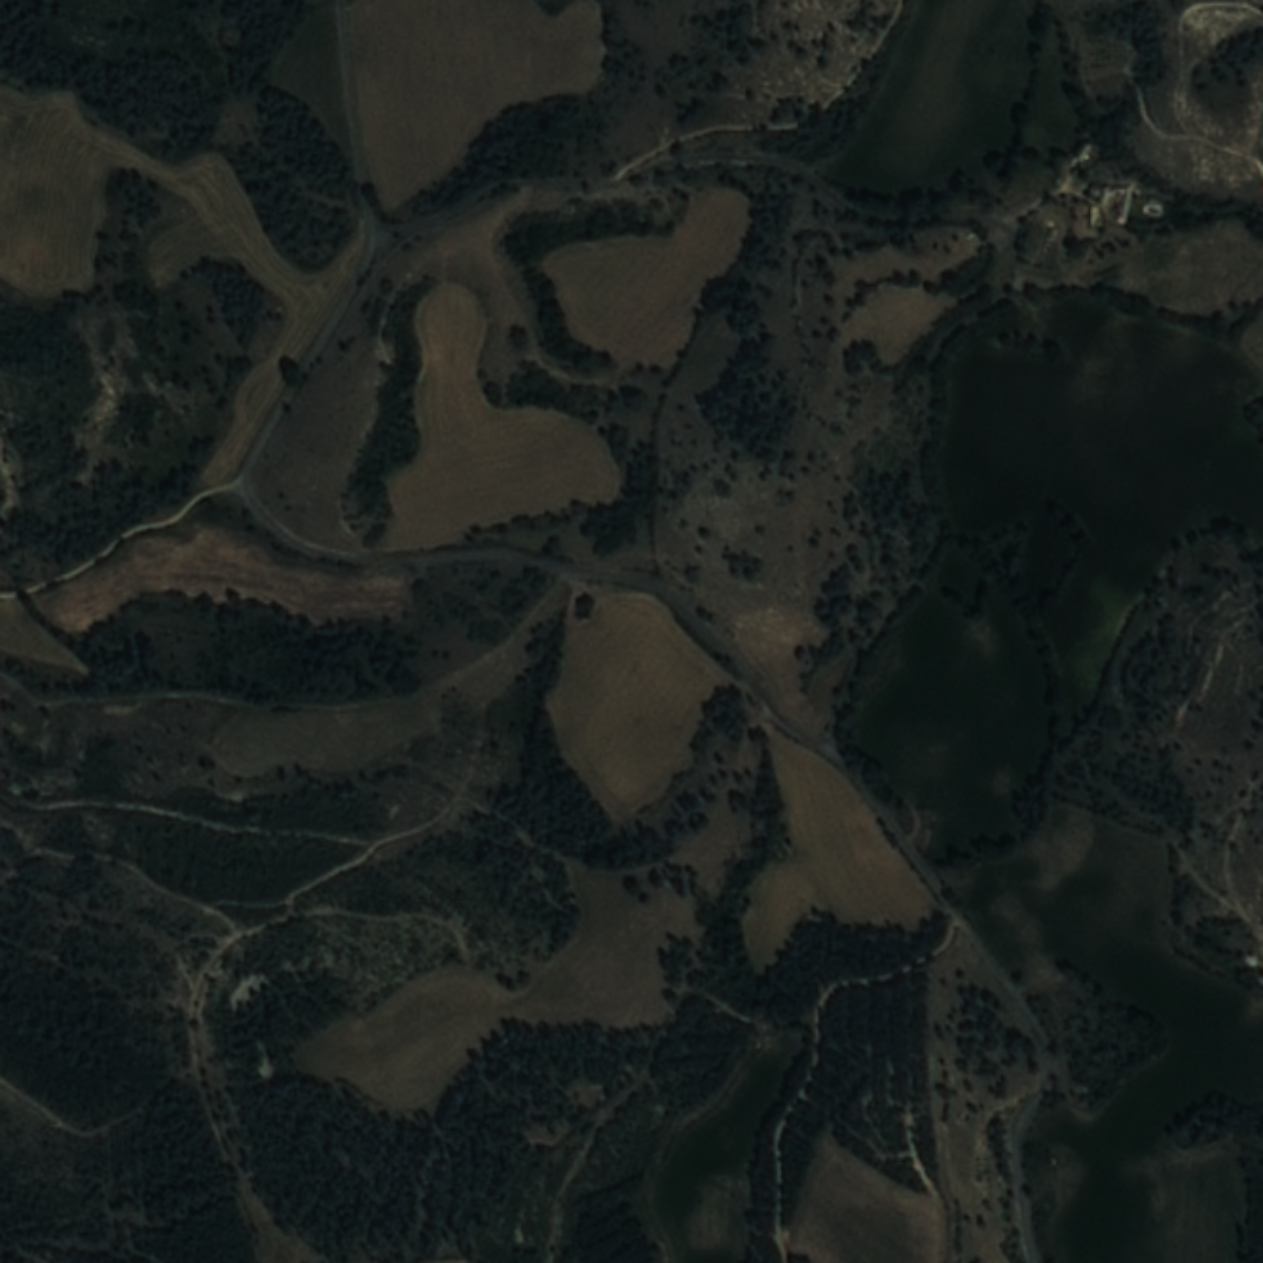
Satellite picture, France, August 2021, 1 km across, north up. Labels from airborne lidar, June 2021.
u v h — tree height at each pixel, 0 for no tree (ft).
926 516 39
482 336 0
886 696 0
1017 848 36
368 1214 52
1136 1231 0
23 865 26
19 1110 0
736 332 31
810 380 0
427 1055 0
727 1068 32
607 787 0
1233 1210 0
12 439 32
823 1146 0
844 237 18
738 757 0
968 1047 24
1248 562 31
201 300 0
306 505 0
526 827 25
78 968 24
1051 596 43
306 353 0
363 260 0
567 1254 31
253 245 0
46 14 44
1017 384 0
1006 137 0
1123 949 0
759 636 0
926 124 0
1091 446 0
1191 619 0
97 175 0
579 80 0
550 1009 0
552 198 0
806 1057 26
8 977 31
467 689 0
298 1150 31
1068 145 0
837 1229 0
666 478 0
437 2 0
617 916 0
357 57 0
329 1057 0
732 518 0
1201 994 0
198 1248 30
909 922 0
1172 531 0
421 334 0
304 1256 0
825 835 0
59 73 36
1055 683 37
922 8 0
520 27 0
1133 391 0
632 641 0
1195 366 0
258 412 0
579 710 0
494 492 0
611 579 0
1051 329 0
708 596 0
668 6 0
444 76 0
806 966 26
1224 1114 35
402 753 0
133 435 21
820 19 0
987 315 33
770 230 29
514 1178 29
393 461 44
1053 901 0
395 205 0
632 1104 26
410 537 0
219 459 0
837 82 0
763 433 41
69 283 0
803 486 0
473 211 0
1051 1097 36
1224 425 0
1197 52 0
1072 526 44
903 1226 0
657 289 0
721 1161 0
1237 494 0
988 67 0
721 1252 0
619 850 41
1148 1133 0
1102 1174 0
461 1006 0
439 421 0
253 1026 58
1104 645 0
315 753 0
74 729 0
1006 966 0
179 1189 35
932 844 0
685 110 20
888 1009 34
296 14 34
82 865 22
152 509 22
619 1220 34
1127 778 21
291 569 0
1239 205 24
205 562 0
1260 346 0
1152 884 0
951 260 0
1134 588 0
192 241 0
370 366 0
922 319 0
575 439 0
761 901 0
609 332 0
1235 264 0
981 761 0
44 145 0
